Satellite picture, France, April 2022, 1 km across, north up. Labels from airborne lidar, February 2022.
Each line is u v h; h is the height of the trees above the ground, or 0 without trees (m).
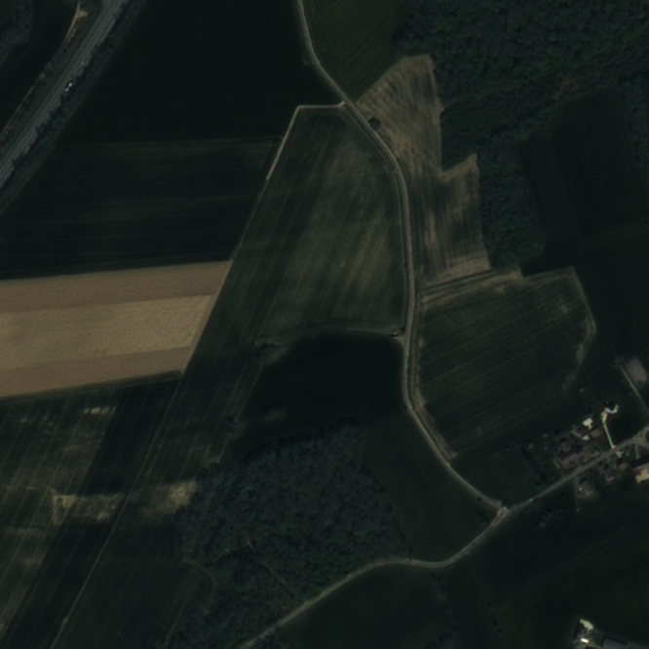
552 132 0
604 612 0
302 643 0
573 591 0
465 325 0
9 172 0
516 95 7
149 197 0
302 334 0
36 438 0
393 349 0
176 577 0
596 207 0
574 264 0
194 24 0
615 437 0
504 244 19
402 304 0
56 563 0
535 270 0
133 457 0
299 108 0
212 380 0
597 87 17
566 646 0
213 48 0
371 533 22
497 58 24
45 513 0
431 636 0
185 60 0
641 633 0
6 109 0
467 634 0
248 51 0
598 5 20
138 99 0
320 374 0
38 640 0
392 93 0
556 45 26
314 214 0
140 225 0
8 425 0
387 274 0
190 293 0
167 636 0
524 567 0
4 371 0
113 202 0
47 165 0
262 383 0
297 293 0
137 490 0
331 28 0
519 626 0
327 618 0
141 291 0
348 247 0
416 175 0
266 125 0
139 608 0
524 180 24
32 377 0
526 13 25
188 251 0
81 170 0
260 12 0
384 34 0
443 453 0
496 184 23
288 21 0
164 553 0
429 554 0
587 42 22
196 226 0
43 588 0
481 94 25
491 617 0
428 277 0
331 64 0
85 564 0
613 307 0
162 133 0
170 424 0
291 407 0
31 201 0
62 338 0
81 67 0
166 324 0
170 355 0
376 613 0
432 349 0
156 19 0
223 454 0
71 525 0
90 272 0
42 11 0
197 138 0
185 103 0
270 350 10
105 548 0
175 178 0
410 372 0
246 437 0
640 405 0
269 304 0
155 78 0
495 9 8
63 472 0
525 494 0
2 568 0
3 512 0
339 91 0
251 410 0
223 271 0
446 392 0
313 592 23
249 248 0
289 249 0
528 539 0
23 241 0
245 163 0
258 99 0
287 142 0
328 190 0
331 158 0
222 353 0
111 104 0
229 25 0
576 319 0
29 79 0
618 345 0
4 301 0
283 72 0
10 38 22
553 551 0
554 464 0
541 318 0
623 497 0
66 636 0
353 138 0
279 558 26
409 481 0
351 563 27
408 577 0
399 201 0
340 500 28
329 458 27
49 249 0
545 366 0
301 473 27
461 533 0
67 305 0
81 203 0
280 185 0
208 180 0
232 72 0
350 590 0
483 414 0
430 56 0
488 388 0
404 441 0
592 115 0
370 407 0
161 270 0
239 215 0
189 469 0
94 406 0
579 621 0
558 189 0
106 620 0
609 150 0
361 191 0
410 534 0
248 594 23
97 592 0
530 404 0
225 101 0
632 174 0
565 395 0
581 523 0
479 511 0
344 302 0
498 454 0
